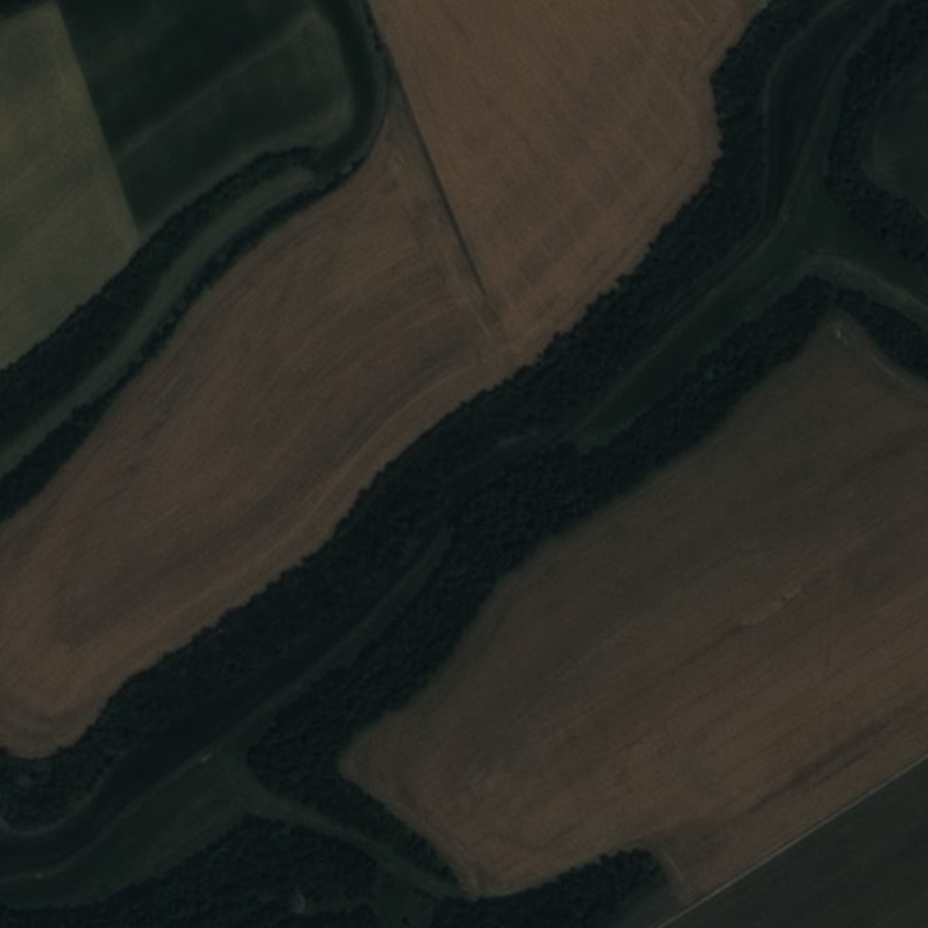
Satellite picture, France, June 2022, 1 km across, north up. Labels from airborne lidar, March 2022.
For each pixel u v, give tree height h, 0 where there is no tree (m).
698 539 0
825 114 0
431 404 0
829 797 0
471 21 0
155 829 0
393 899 0
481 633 0
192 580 0
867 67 14
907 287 0
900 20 21
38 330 0
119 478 0
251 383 0
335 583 25
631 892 17
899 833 0
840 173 11
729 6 0
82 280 0
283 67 0
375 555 26
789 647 0
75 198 0
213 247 0
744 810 0
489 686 0
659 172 0
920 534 0
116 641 0
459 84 0
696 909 0
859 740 0
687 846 0
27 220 0
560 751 0
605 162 0
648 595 0
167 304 0
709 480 0
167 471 0
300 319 0
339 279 0
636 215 0
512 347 0
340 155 0
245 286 0
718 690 0
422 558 0
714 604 0
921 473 0
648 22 0
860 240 0
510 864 0
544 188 0
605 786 0
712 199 17
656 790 0
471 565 10
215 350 0
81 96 0
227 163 0
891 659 0
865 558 0
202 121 0
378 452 0
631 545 0
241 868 18
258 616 17
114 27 0
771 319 15
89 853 0
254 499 0
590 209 0
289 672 0
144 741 21
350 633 0
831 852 0
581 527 0
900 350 15
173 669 18
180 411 0
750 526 0
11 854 0
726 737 0
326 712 19
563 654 0
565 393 17
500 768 0
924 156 0
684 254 19
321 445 0
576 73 0
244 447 0
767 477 0
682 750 0
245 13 0
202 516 0
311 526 0
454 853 0
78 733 0
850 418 0
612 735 0
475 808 0
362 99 0
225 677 18
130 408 0
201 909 14
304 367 0
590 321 10
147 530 0
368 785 0
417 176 0
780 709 0
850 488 0
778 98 0
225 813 0
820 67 0
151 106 0
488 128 0
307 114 0
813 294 14
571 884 22
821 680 0
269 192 0
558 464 19
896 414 0
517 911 21
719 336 0
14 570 0
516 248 0
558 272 0
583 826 0
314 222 0
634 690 0
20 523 0
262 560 0
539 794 0
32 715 0
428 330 0
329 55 0
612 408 0
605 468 16
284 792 16
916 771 0
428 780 0
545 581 0
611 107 0
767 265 0
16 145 0
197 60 0
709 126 0
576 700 0
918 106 0
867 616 0
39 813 12
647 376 0
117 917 23
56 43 0
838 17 0
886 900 0
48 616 0
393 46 0
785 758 0
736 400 8
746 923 0
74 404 0
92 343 18
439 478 12
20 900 0
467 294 0
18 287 0
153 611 0
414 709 0
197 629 0
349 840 0
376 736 0
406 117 0
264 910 15
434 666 15
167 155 0
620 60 0
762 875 0
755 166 19
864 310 14
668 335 0
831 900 0
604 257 0
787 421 0
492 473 0
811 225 0
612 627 0
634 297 21
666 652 0
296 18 0
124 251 0
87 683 0
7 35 0
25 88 0
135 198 0
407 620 11
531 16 0
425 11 0
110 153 0
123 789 0
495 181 0
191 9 0
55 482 0
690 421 20
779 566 0
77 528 0
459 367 0
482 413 9
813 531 0
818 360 0
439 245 0
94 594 0
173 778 0
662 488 0
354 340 0
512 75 0
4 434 17
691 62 0
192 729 0
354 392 0
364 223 0
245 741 0
